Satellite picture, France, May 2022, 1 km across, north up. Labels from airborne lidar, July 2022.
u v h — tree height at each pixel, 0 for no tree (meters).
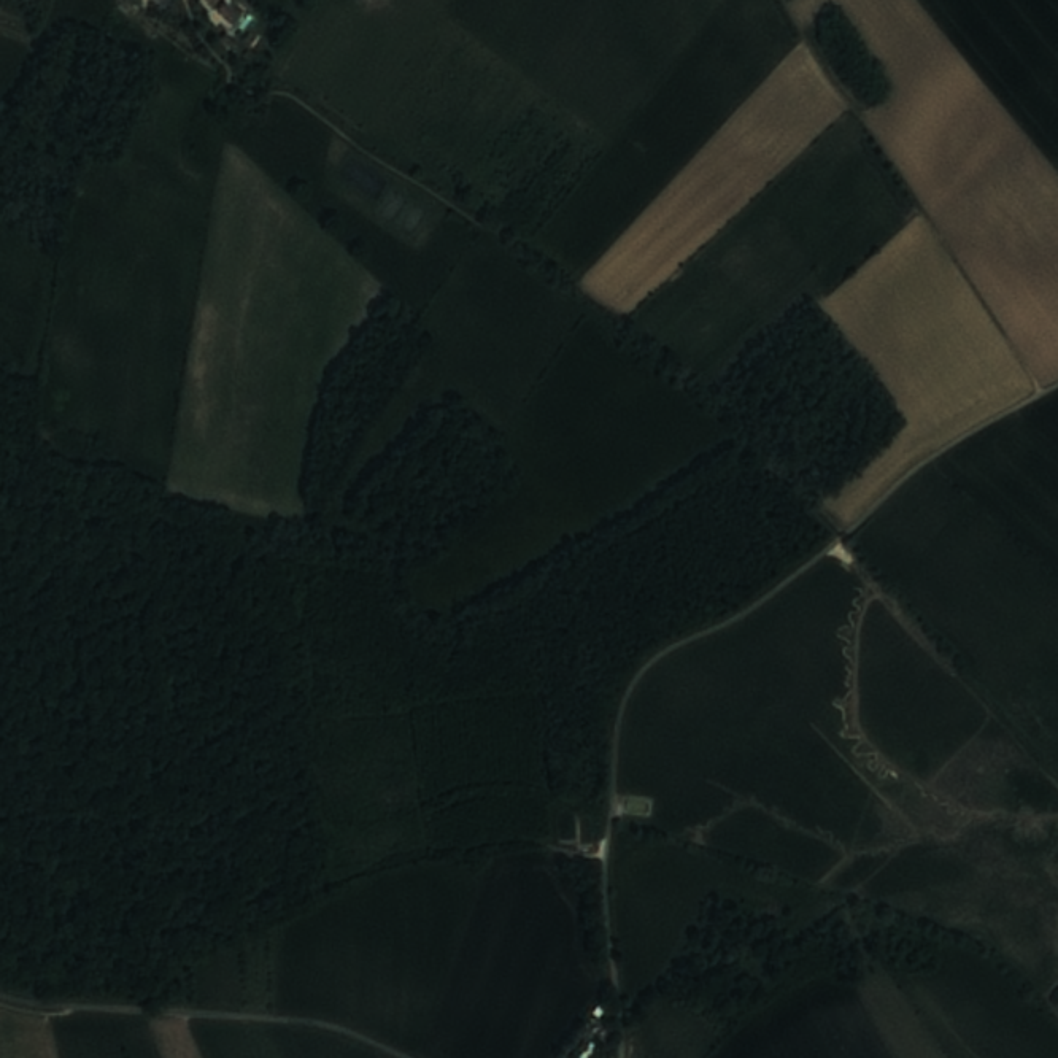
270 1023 0
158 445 0
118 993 19
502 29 0
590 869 21
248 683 31
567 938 0
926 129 0
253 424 0
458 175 7
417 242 0
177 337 0
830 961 8
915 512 0
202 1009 0
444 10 0
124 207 0
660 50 0
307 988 0
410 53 0
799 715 0
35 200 24
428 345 23
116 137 21
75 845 27
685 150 0
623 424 0
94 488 23
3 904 28
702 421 0
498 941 0
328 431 20
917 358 0
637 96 0
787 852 0
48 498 15
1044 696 0
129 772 28
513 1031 0
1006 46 0
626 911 0
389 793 0
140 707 25
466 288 0
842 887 0
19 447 18
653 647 14
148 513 17
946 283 0
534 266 20
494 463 25
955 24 0
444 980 0
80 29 18
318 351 0
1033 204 0
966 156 0
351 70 0
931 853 0
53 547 24
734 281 0
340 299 0
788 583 0
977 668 0
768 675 0
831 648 0
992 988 0
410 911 0
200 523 23
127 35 0
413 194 0
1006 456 0
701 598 18
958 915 0
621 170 0
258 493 0
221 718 27
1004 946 0
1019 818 0
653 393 0
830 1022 0
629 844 0
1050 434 0
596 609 19
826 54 12
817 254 0
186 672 26
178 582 26
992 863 0
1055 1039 0
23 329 0
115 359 0
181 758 26
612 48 0
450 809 6
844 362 22
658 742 0
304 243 0
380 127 0
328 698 9
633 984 0
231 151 0
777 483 20
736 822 0
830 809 0
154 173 0
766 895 0
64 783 24
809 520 18
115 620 24
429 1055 0
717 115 0
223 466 0
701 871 0
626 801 0
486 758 6
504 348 0
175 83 0
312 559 27
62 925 28
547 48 0
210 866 29
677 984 16
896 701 0
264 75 11
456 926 0
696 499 22
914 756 0
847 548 0
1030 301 0
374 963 0
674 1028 0
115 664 28
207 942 16
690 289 0
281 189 0
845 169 0
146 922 27
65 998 9
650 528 20
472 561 0
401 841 0
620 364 0
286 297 0
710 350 0
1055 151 0
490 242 0
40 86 27
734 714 0
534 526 0
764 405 10
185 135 0
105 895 27
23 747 23
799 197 0
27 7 6
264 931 17
